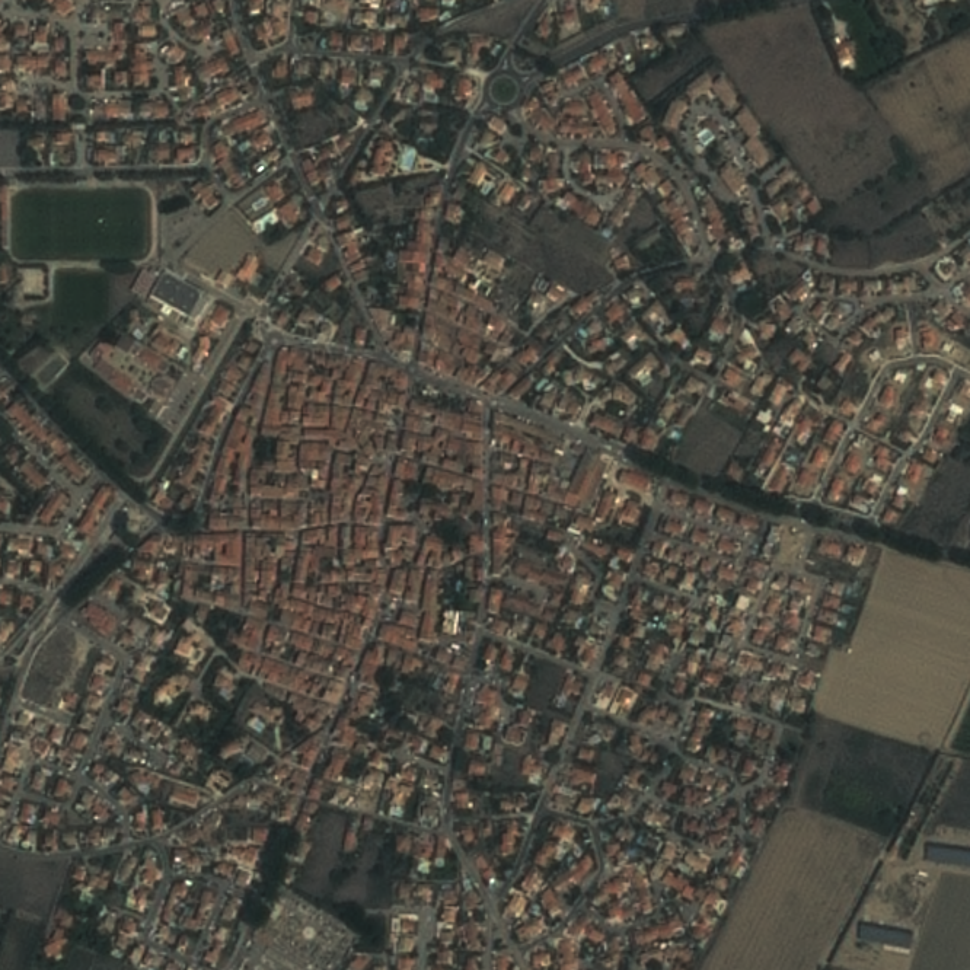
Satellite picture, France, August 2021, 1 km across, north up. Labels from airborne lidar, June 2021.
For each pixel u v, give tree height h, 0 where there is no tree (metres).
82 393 0
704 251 0
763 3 21
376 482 0
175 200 8
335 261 0
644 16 0
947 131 0
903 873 0
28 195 0
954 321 0
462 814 9
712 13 26
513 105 0
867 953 0
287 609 0
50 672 0
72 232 0
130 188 0
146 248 0
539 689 0
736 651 0
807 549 0
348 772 8
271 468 0
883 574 0
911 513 0
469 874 0
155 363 0
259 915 22
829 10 10
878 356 0
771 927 0
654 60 6
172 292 0
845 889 0
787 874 0
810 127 0
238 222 0
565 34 0
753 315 8
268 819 6
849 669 0
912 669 0
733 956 0
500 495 0
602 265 0
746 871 0
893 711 0
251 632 0
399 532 0
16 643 0
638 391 6
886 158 0
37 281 0
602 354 10
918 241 0
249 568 0
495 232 0
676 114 0
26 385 19
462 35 6
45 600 0
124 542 11
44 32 0
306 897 13
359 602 0
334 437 0
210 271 0
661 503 0
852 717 0
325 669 0
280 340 0
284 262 0
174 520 16
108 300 0
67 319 0
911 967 0
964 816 0
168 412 0
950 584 0
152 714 7
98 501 0
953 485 0
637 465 25
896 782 0
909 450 0
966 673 0
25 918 0
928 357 0
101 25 0
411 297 0
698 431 0
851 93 0
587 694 0
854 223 0
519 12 0
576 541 0
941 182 0
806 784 0
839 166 0
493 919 0
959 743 0
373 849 0
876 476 0
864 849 0
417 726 8
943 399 0
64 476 0
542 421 0
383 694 10
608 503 0
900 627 0
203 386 0
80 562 0
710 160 7
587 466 0
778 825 0
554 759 11
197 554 0
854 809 0
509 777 0
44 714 0
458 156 0
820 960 0
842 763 0
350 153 0
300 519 0
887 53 13
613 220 0
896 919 0
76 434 21
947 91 0
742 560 0
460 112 12
